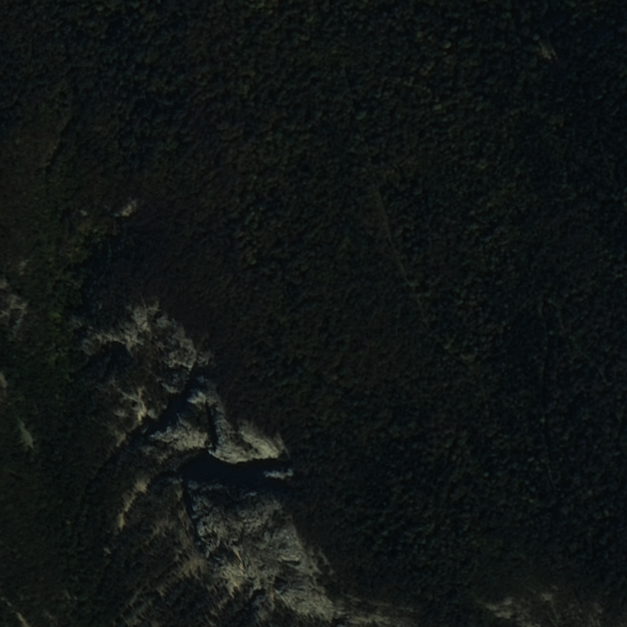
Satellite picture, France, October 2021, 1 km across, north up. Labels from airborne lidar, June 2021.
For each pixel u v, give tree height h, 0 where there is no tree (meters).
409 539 19
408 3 13
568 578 10
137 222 11
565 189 15
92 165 17
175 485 6
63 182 20
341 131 17
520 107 23
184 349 7
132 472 15
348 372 17
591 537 21
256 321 22
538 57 14
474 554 16
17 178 17
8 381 15
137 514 10
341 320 20
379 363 17
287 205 19
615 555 21
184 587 7
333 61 13
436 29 20
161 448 6
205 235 19
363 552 16
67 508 22
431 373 14
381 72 20
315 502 17
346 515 15
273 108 22
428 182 13
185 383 9
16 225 15
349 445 13
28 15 19
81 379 23
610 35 22
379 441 14
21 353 21
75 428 27
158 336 14
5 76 21
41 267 19
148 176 19
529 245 12
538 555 19
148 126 19
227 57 23
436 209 14
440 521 15
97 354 10
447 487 13
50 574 20
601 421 22
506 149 12
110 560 19
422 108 21
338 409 14
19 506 20
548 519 11
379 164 23
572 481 16
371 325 18
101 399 13
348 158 20
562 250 16
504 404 17
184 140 16
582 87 13
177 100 13
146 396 15
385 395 18
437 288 14
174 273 15
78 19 24
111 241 19
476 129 15
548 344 10
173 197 16
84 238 18
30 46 24
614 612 16
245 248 21
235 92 24
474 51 23
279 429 10
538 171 17
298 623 7
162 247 12
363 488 13
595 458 10
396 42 20
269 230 20
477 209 14
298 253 21
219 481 8
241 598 16
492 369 19
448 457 11
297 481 18
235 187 17
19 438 23
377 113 23
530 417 9
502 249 17
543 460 16
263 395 20
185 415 11
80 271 20
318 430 18
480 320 20
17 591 21
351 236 19
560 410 9
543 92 19
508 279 12
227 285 16
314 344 20
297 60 20
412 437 9
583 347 11
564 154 14
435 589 18
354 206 27
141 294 6
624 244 16
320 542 8
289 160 17
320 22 14
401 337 18
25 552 22
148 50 24
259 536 7
